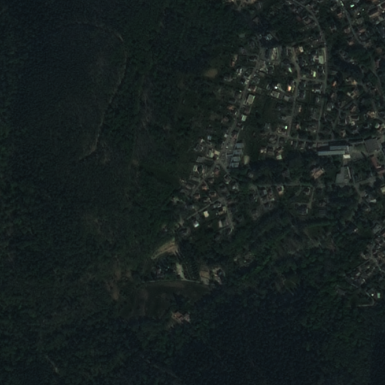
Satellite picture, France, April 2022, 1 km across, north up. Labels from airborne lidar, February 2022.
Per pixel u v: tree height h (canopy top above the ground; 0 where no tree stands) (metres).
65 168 20
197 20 29
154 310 0
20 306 15
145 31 27
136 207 27
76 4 24
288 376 37
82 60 17
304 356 44
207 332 24
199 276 15
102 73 20
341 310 19
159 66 19
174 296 0
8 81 22
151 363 28
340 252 15
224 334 37
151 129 20
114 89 20
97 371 27
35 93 21
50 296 19
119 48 21
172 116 13
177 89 17
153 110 25
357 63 6
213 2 12
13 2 36
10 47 21
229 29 17
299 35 15
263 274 23
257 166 10
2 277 25
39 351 21
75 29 22
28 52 24
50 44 24
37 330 13
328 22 9
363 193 0
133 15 23
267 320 43
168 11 17
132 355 29
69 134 17
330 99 20
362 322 20
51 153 20
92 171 16
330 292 22
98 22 22
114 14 21
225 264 20
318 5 7
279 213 20
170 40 22
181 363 33
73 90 21
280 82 0
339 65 24
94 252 12
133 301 0
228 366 27
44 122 19
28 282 15
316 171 0
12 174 20
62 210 24
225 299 22
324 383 27
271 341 45
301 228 29
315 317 29
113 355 25
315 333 37
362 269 0
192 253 20
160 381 19
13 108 25
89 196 25
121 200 20
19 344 27
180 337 27
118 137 30
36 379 21
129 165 26
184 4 21
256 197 6
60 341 26
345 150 0
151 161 16
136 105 29
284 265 29
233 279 16
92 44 18
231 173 16
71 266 24
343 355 28
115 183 18
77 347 22
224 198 15
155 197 16
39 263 21
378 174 24
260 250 23
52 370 20
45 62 23
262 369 41
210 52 7
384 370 29
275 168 29
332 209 11
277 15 10
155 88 26
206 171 0
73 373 24
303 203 0
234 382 23
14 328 21
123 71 22
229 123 10
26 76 23
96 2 23
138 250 23
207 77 0
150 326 26
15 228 29
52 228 22
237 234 17
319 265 26
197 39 29
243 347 45
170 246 0
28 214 26
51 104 18
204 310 26
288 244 24
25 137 22
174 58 22
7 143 25
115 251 25
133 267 23
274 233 19
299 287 0
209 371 17
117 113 12
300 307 31
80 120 23
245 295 26
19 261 28
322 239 12
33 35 22
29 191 30
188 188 0
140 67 29
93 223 17
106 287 15
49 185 26
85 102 20
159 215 17
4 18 27
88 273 17
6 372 30
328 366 30
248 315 41
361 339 22
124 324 25
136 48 29
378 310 16
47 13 25
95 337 15
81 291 18
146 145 28
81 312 23
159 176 0
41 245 26
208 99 10
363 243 15
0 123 23
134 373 24
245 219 7
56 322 23
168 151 17
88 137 15
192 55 25
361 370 20
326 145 0
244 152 0
